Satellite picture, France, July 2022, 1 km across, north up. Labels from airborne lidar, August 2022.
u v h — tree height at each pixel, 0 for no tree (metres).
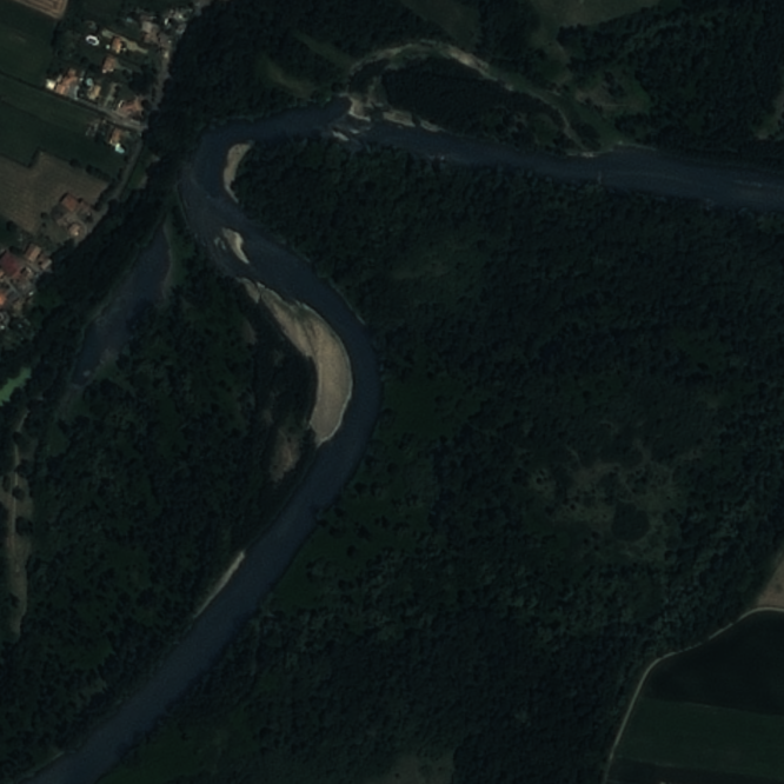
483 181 16
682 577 13
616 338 23
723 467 7
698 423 6
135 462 13
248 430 7
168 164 23
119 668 28
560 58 0
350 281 11
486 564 19
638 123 19
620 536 6
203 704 19
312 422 0
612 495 7
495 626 26
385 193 13
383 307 14
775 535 13
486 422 17
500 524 31
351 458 0
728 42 14
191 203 0
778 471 25
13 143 0
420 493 8
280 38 9
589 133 9
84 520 14
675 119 23
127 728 0
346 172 19
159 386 20
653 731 0
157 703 0
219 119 16
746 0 27
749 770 0
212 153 0
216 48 27
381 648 23
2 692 20
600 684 22
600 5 0
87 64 6
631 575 20
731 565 29
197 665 0
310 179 28
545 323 20
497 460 16
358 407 0
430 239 6
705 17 9
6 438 27
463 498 7
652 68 22
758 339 17
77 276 18
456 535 37
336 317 0
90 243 14
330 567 8
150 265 0
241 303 16
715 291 19
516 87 0
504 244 8
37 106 0
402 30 15
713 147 21
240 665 22
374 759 11
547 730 21
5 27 0
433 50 0
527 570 16
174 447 10
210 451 26
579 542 0
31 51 0
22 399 18
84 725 21
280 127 0
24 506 0
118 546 28
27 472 18
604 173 0
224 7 16
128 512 15
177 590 11
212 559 25
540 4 0
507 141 17
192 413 8
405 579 16
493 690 15
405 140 0
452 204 9
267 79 0
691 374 8
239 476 14
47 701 22
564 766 27
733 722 0
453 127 13
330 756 7
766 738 0
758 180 0
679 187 0
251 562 0
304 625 13
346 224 23
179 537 21
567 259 13
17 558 0
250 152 7
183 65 23
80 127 0
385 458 7
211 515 13
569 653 21
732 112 15
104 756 0
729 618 16
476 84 16
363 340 0
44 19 0
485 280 10
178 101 21
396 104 17
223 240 0
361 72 6
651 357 6
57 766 0
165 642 11
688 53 25
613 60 24
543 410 6
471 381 12
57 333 18
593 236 26
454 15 0
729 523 15
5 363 14
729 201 0
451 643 23
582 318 34
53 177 0
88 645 24
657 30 12
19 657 17
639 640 28
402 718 7
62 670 18
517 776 24
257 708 11
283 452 0
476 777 19
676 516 9
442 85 19
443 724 17
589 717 20
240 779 11
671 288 20
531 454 5
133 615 23
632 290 17
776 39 23
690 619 12
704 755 0
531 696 23
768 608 0
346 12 17
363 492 27
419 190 18
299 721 16
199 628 0
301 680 11
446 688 18
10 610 8
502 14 27
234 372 25
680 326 26
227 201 0
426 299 6
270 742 15
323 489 0
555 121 14
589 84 11
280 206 18
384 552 11
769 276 6
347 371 0
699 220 8
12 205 0
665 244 7
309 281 0
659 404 10
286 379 16
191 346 8
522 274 26
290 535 0
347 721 17
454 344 17
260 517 9
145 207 20
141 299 0
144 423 14
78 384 0
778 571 0
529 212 19
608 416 8
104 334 0
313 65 15
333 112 0
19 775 24
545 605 20
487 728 23
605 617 19
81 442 29
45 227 7
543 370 20
